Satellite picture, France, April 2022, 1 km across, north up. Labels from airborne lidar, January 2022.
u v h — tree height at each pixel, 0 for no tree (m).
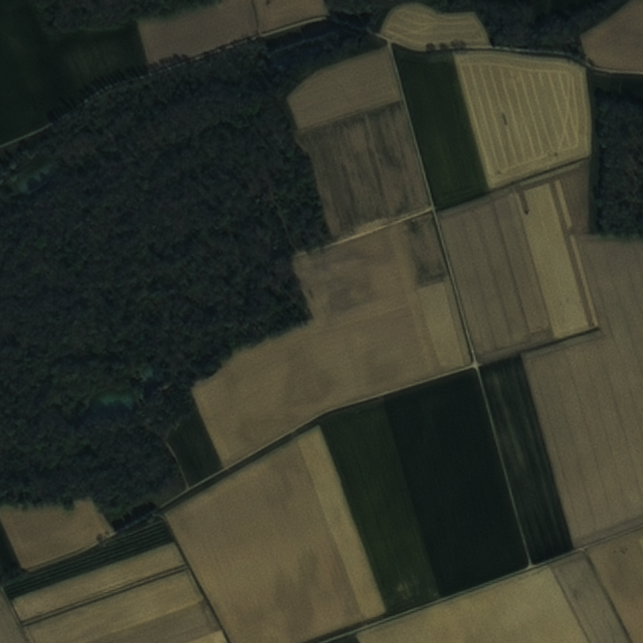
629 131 33
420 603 0
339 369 0
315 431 0
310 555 0
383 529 0
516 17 23
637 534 0
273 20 0
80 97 0
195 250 36
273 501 0
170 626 0
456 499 0
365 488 0
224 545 0
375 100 0
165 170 36
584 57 18
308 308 0
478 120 0
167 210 40
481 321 0
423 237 0
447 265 0
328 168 0
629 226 31
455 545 0
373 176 0
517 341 0
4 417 36
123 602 0
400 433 0
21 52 0
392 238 0
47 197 26
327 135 0
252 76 23
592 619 0
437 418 0
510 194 0
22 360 28
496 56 0
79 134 31
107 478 36
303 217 25
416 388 0
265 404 0
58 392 34
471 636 0
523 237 0
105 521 0
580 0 0
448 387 0
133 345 21
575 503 0
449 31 0
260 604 0
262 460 0
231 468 0
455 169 0
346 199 0
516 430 0
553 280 0
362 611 0
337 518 0
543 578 0
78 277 31
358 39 42
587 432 0
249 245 30
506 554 0
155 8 30
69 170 9
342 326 0
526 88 0
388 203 0
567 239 0
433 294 0
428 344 0
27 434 38
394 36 0
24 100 0
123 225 37
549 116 0
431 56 13
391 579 0
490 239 0
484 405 0
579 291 0
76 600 0
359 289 0
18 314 38
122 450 36
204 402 0
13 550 0
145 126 33
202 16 0
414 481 0
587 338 0
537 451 0
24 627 0
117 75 0
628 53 0
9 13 0
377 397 0
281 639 0
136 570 0
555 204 0
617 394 0
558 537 0
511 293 0
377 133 0
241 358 0
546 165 0
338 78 0
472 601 0
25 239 35
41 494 29
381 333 0
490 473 0
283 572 0
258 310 32
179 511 0
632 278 0
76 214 34
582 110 0
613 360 0
